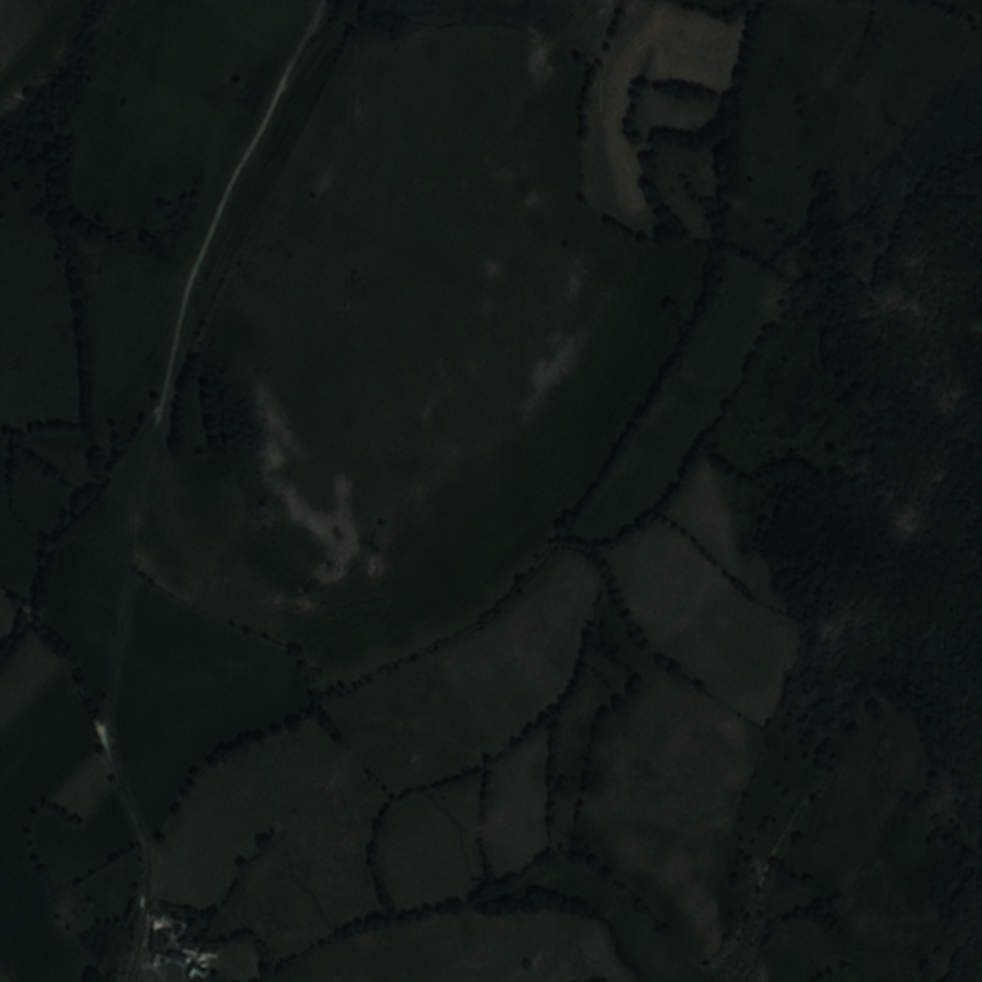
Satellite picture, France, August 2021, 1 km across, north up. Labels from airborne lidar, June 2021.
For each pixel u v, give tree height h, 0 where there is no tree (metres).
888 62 0
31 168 14
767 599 0
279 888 0
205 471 0
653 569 0
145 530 0
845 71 0
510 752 8
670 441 0
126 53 0
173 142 0
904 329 11
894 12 0
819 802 10
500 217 0
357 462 0
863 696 13
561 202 0
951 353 15
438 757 0
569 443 0
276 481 0
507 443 0
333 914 0
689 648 0
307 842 0
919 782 0
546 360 0
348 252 0
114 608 0
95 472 11
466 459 0
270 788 0
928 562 22
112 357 0
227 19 0
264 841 12
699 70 0
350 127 0
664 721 0
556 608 0
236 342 0
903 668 17
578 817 7
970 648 17
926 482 13
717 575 0
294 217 0
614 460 11
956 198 18
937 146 0
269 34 0
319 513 0
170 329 0
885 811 0
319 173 0
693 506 0
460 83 0
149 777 0
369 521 0
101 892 0
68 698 0
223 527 0
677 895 0
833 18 0
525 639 0
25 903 0
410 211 0
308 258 0
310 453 0
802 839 10
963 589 23
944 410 6
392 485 0
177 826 0
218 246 0
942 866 0
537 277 0
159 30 0
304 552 0
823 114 0
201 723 0
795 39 0
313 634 0
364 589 0
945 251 15
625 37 0
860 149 0
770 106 0
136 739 0
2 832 0
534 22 0
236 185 0
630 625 12
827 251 19
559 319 0
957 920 10
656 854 0
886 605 15
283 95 0
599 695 0
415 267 0
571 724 0
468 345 0
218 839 0
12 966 0
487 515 0
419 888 0
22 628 12
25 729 0
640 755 0
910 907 0
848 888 0
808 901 0
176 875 0
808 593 12
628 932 0
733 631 0
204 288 0
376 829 11
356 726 0
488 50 0
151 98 0
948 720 18
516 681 0
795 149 0
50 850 0
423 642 0
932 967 10
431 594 0
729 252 13
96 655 0
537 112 0
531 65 0
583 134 11
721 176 19
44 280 0
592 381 0
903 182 0
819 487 24
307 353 0
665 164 0
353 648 0
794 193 0
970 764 13
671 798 0
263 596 0
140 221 0
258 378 0
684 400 0
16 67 0
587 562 7
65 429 8
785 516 20
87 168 0
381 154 0
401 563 0
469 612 0
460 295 0
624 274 0
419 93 0
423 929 0
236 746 11
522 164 0
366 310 0
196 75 0
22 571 0
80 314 13
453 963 0
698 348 0
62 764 0
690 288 0
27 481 0
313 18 0
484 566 0
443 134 0
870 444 6
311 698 10
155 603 0
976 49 0
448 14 0
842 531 23
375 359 0
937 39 0
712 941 0
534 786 0
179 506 0
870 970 0
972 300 21
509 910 13
